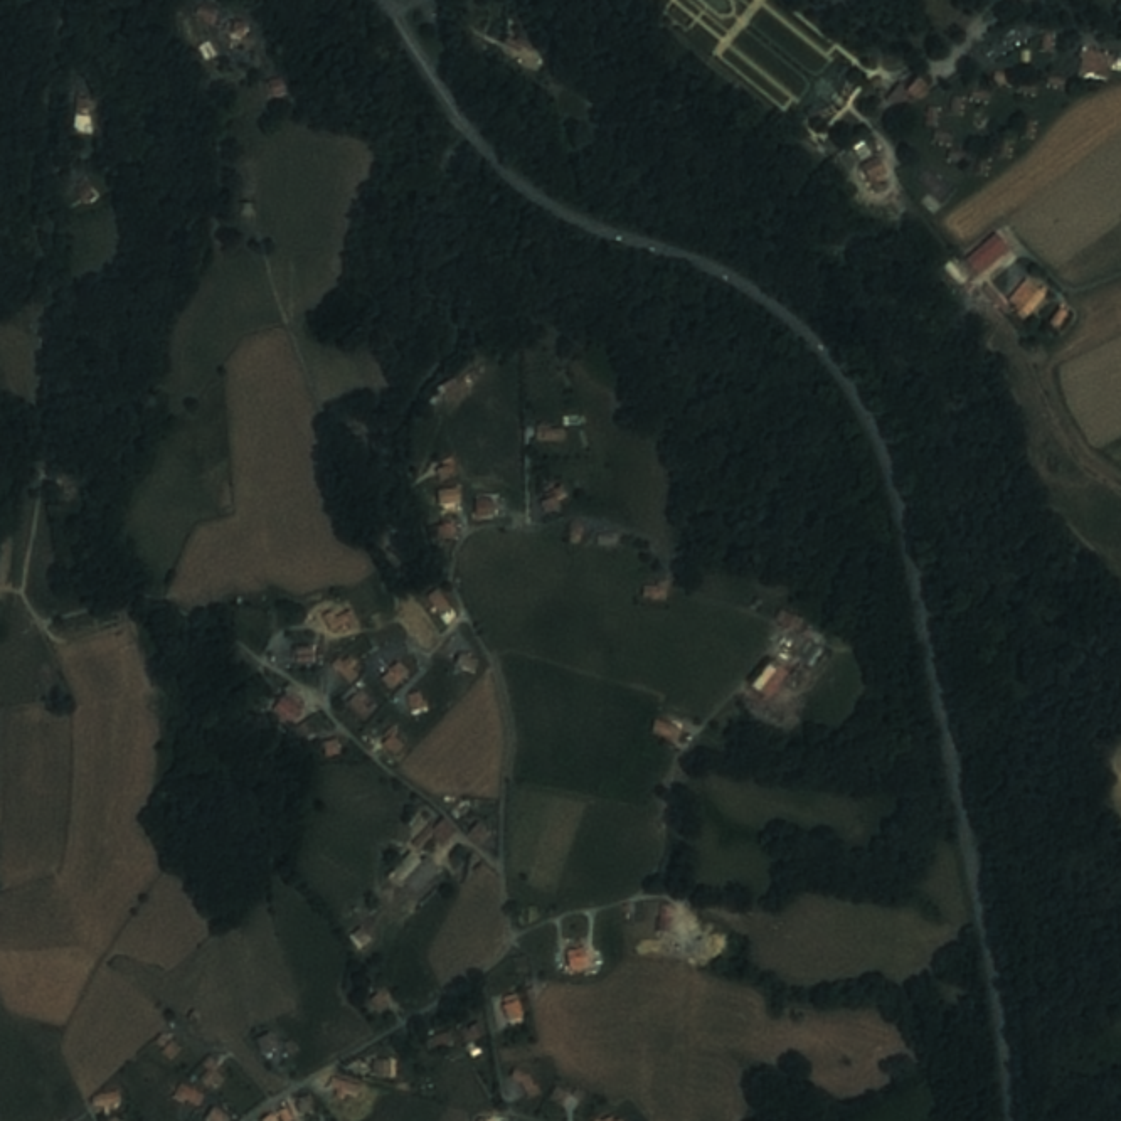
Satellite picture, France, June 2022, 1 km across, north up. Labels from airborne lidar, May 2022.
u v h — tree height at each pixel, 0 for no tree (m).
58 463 19
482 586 0
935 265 10
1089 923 19
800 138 16
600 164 15
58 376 20
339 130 14
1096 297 0
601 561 0
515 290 7
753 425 20
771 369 23
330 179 0
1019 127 14
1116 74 0
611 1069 0
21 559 0
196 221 13
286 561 0
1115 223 0
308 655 0
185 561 0
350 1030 0
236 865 24
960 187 0
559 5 26
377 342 16
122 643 0
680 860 16
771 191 27
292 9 26
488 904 0
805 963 0
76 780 0
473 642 0
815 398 23
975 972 10
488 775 0
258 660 0
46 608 0
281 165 0
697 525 24
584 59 29
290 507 0
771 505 10
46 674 0
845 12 18
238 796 26
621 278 13
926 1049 20
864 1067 0
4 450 21
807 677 0
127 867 0
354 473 26
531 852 0
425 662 0
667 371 23
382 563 15
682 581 16
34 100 23
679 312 8
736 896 20
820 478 21
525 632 0
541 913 0
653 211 22
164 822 19
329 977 0
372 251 21
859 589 29
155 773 0
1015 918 24
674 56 22
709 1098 0
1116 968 17
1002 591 24
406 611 0
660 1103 0
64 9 17
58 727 0
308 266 0
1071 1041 20
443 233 17
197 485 0
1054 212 0
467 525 0
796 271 27
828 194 25
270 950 0
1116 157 0
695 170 25
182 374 0
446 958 0
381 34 25
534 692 0
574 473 0
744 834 0
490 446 0
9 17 32
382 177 21
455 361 9
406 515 22
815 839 25
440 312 22
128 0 26
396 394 20
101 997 0
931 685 16
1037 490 21
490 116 20
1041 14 20
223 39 0
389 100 28
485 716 0
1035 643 29
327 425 20
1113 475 0
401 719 0
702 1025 0
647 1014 0
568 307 16
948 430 23
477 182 15
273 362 0
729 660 0
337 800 0
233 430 0
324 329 21
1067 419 0
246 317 0
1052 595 22
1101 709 28
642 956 0
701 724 6
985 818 21
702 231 17
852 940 0
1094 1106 24
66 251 12
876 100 9
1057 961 14
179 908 0
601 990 0
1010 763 28
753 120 27
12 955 0
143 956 0
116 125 27
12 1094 0
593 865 0
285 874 19
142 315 34
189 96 20
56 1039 0
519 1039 10
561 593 0
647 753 0
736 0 0
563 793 0
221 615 13
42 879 0
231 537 0
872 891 20
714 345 24
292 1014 0
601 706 0
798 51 0
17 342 0
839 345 28
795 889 19
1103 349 0
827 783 20
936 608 17
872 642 21
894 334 32
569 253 23
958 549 25
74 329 21
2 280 23
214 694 25
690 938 0
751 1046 0
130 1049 0
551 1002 0
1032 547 24
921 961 0
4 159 19
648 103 29
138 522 0
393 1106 0
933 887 0
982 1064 24
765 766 22
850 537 28
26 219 10
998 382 22
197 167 25
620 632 0
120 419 25
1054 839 20
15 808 0
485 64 22
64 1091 0
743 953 8
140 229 26
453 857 7
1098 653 23
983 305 0
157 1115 0
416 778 0
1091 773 22
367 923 0
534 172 18
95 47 21
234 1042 0
